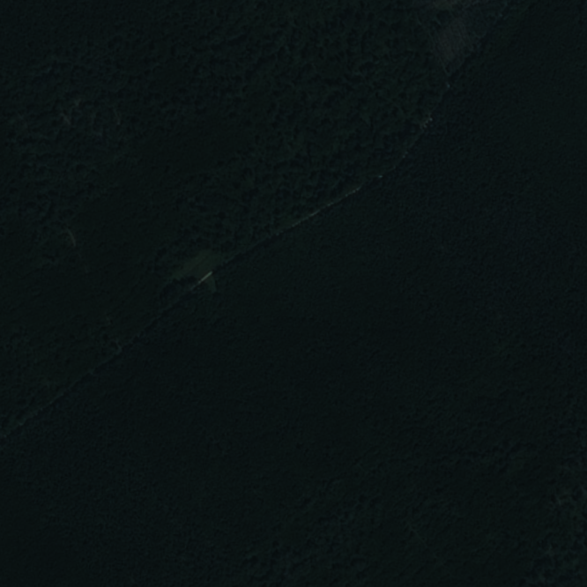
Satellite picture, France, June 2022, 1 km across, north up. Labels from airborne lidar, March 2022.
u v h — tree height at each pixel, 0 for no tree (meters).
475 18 17
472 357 16
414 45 23
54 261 17
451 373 12
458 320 20
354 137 16
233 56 12
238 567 15
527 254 19
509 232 16
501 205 20
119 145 23
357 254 15
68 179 20
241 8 23
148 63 20
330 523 20
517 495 10
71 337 15
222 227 23
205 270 0
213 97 19
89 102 22
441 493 17
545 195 13
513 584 8
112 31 18
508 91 15
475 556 11
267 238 0
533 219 17
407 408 17
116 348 27
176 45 18
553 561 25
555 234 16
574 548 20
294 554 24
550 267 19
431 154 0
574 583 23
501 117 15
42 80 24
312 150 20
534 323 18
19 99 19
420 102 23
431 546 9
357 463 0
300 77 22
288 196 23
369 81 15
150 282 12
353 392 0
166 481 18
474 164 0
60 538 14
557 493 7
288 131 20
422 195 0
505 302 22
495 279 15
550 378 8
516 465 18
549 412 12
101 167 23
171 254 24
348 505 7
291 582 20
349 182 22
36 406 21
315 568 20
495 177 0
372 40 21
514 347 10
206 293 9
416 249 13
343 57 24
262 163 21
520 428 11
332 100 21
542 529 8
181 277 0
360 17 24
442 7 0
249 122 20
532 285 17
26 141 20
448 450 12
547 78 15
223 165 18
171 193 9
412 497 10
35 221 22
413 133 27
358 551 20
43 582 14
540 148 10
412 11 19
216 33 19
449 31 18
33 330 9
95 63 18
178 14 14
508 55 13
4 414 7
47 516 16
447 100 19
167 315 15
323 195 24
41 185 21
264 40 6
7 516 15
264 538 18
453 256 19
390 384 18
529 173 15
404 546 11
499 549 13
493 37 24
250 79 20
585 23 21
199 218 22
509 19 23
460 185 0
